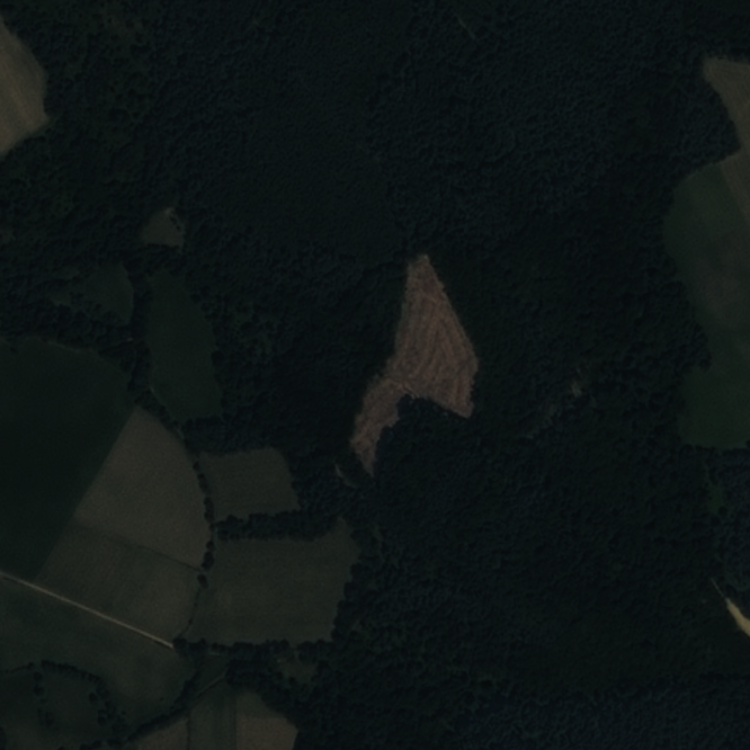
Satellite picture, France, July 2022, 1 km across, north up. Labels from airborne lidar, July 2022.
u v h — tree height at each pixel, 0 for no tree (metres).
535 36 24
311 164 9
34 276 19
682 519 25
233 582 0
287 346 16
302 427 18
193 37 20
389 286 20
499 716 31
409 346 0
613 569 25
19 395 0
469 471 28
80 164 10
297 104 12
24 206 17
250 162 9
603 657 22
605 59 25
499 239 12
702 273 0
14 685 0
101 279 0
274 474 0
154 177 19
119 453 0
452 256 27
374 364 18
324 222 11
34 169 7
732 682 12
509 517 28
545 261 26
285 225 10
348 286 14
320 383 24
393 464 26
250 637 0
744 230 0
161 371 0
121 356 8
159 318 0
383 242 10
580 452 25
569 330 20
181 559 0
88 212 12
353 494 12
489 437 26
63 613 0
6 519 0
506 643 13
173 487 0
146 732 11
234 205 10
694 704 13
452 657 8
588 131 17
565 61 24
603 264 30
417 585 20
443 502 25
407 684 19
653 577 28
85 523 0
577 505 22
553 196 17
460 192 28
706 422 0
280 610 0
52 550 0
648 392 16
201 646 14
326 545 0
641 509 24
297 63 7
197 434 17
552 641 22
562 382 20
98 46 16
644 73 29
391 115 19
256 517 10
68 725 0
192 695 20
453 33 21
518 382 26
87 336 23
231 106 10
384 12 11
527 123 22
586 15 22
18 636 0
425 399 0
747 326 0
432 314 0
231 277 14
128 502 0
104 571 0
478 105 25
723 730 18
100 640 0
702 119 16
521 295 20
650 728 22
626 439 25
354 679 17
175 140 21
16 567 0
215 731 0
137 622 0
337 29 12
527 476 22
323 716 13
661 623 29
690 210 0
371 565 12
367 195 12
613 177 28
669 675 22
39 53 16
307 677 0
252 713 0
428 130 25
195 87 21
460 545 23
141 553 0
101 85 15
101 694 14
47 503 0
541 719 29
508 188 19
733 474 19
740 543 23
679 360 18
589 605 22
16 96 0
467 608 15
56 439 0
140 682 0
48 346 0
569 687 24
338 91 14
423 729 26
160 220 0
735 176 0
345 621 14
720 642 6
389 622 8
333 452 21
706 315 0
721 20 11
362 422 0
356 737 26
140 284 23
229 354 13
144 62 16
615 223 27
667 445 26
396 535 19
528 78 24
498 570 20
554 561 22
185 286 8
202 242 21
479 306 23
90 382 0
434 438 31
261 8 12
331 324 16
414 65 23
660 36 20
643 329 30
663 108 19
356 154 11
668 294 19
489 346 20
